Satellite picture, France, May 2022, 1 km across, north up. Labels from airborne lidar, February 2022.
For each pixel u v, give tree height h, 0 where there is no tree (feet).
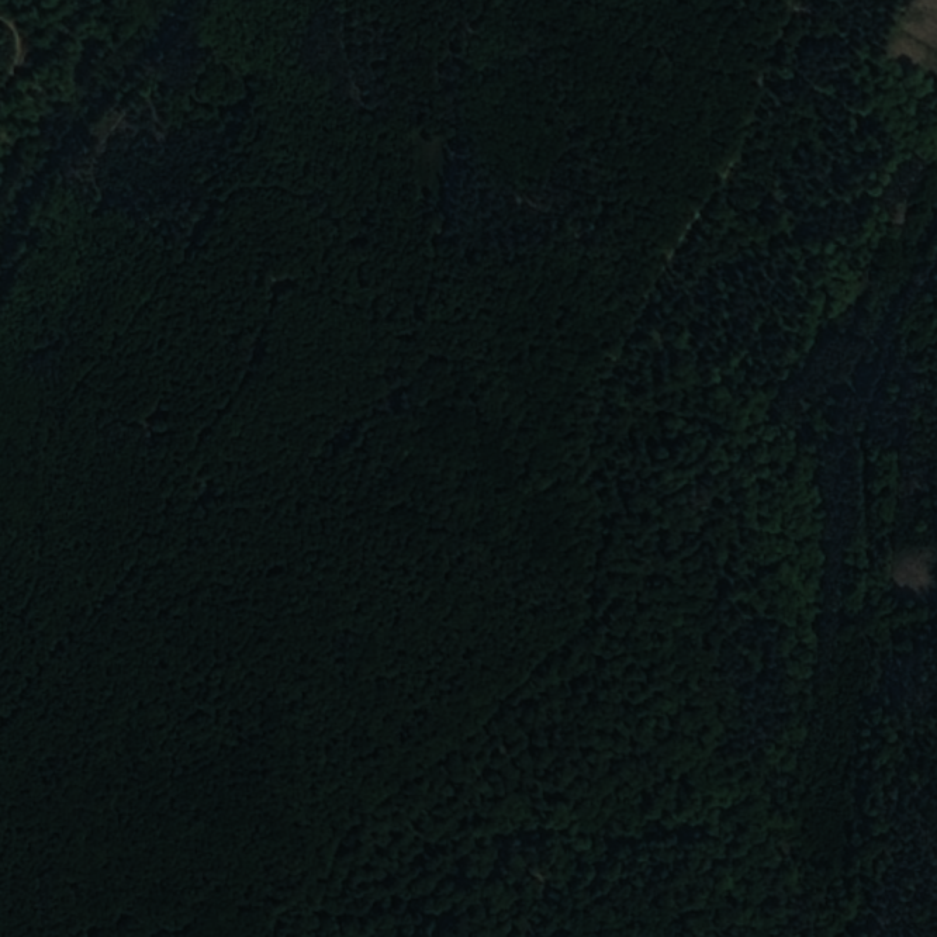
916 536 38
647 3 88
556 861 118
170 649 93
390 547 87
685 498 105
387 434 83
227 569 91
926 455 81
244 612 91
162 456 77
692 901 105
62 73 110
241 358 63
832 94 132
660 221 82
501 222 104
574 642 100
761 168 42
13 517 61
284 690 81
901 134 114
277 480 85
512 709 98
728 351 112
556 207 72
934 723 30
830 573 114
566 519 109
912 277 100
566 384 98
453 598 81
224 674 88
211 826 76
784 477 100
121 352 79
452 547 89
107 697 82
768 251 105
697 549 106
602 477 115
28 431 63
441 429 86
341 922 125
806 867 40
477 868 125
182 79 116
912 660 91
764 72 23
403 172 73
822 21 65
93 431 77
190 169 45
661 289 53
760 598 120
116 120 0
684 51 87
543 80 95
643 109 89
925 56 0
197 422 87
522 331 106
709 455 105
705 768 109
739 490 115
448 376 109
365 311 95
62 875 84
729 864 118
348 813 91
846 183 127
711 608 114
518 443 103
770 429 104
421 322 110
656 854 115
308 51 79
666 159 87
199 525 88
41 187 92
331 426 82
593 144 61
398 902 99
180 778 82
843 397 124
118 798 84
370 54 64
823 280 117
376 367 87
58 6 107
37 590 82
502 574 100
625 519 105
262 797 80
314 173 111
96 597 81
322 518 84
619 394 113
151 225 31
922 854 88
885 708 20
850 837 98
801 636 117
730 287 117
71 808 89
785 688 125
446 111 70
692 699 101
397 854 130
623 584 116
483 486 90
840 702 34
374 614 81
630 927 114
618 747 107
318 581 87
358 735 78
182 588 84
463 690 92
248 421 83
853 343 134
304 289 60
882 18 110
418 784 92
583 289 73
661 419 122
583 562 84
